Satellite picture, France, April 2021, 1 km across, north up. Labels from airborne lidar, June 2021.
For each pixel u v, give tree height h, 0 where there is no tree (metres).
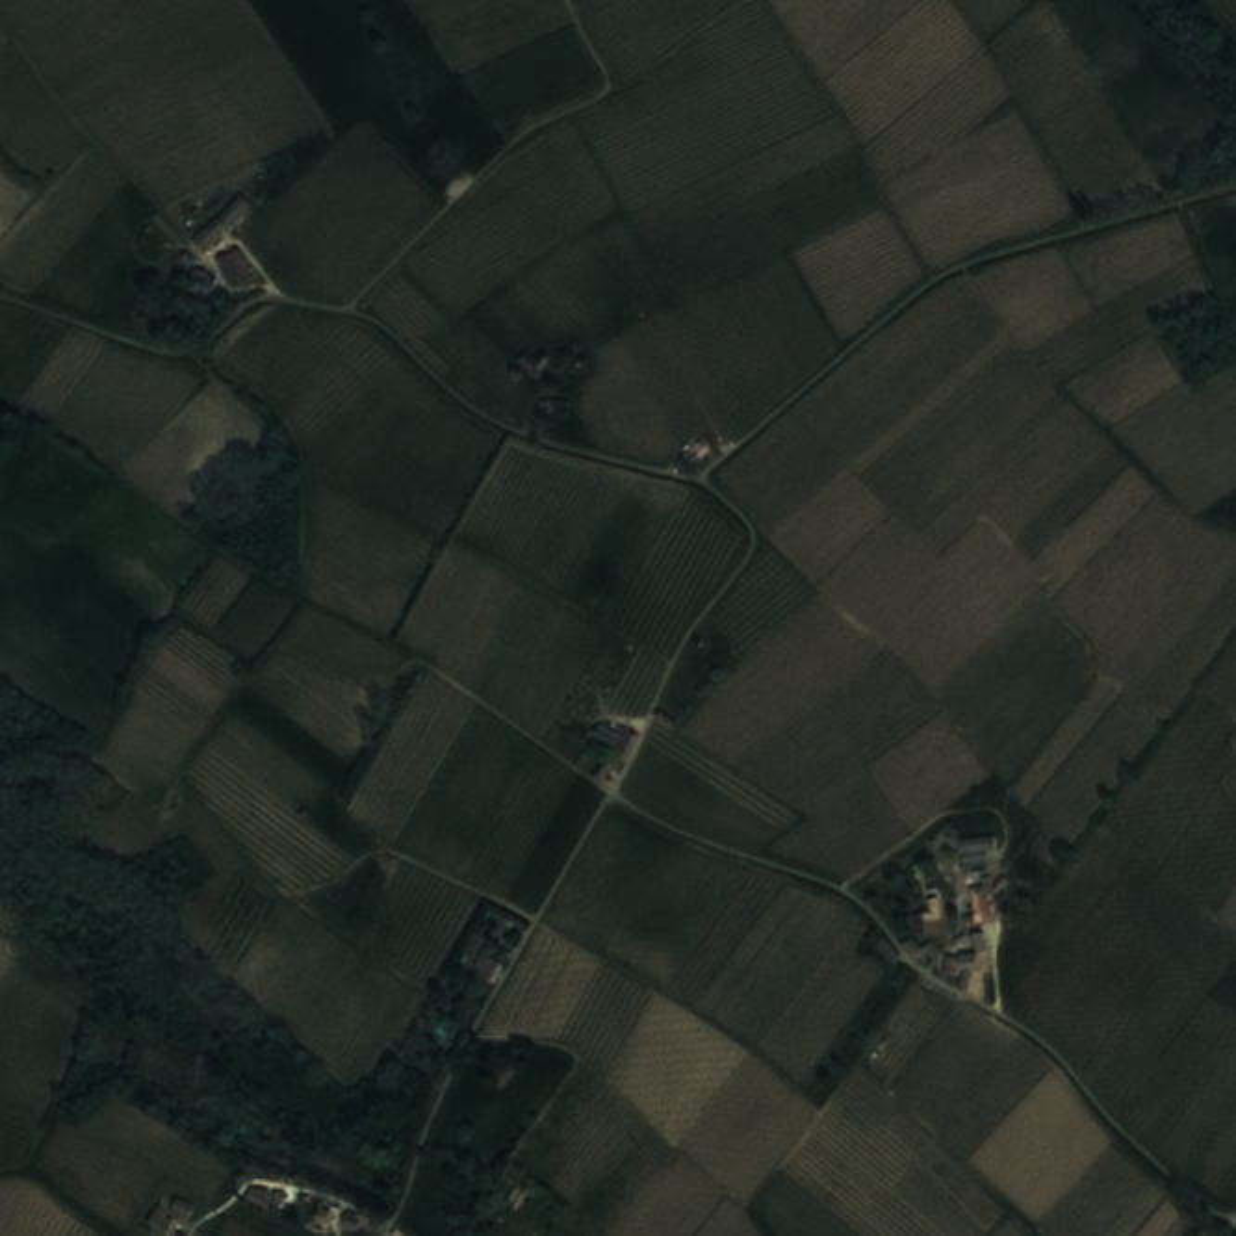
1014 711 0
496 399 0
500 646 0
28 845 22
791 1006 0
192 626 0
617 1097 0
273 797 0
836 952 0
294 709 0
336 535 0
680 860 0
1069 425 0
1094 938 0
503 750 0
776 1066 0
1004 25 0
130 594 0
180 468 0
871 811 0
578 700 0
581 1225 0
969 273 0
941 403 0
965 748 0
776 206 0
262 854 0
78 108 0
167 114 0
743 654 0
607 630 0
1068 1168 0
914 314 0
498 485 0
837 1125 0
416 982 0
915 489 0
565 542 0
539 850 0
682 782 0
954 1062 0
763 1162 0
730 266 0
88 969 10
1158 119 0
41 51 0
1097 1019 0
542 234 0
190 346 23
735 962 0
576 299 0
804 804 0
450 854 0
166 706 0
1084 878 0
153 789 0
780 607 0
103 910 16
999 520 0
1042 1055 0
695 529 0
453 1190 13
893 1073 0
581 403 0
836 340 0
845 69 0
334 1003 0
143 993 9
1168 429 0
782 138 0
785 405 0
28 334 0
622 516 0
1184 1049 0
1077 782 0
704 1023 0
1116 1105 0
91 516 0
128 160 0
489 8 0
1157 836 0
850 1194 0
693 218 0
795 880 0
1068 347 0
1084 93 0
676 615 0
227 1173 0
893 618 0
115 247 0
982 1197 0
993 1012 0
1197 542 0
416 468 0
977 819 0
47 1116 0
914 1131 0
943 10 0
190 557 0
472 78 0
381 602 0
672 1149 0
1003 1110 0
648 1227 0
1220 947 0
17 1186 0
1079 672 0
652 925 0
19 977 0
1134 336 0
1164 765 0
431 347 0
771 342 0
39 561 0
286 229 0
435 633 0
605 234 0
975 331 0
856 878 0
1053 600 0
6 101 0
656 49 0
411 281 0
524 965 0
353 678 0
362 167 0
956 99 0
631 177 0
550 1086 0
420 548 0
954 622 0
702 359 0
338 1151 28
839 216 0
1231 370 13
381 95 0
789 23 0
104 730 0
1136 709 0
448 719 0
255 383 0
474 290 0
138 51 0
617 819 0
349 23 0
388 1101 24
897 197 0
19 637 0
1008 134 0
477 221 0
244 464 23
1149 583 0
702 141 0
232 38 0
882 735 0
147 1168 0
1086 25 0
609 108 0
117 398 0
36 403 0
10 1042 0
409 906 0
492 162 0
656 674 0
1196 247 0
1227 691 0
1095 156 0
